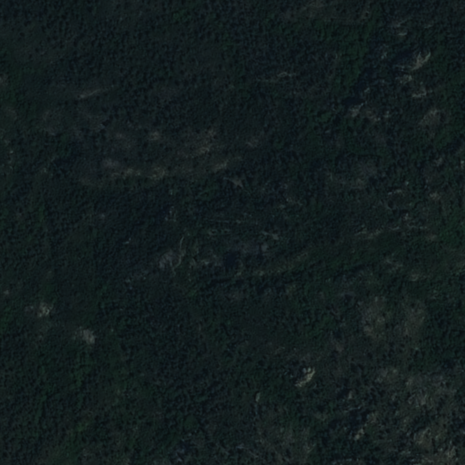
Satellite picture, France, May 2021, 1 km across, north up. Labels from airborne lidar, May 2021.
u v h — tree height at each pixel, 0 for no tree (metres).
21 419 23
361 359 6
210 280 8
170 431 13
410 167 25
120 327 19
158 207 8
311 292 8
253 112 8
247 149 5
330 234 7
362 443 22
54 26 19
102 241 20
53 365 10
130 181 22
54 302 10
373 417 6
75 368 12
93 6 17
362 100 7
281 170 7
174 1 20
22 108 16
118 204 8
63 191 13
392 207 18
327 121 8
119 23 9
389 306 15
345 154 15
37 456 21
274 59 18
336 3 9
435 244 7
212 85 12
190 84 23
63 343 6
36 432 12
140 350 15
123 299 9
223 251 5
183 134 22
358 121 18
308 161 10
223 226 13
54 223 20
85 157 7
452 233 15
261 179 6
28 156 14
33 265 10
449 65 17
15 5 25
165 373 16
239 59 29
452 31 8
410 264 9
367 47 11
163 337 7
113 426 27
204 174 6
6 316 9
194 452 33
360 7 12
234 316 9
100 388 13
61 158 13
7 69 19
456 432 20
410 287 25
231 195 17
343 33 20
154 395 13
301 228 20
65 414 18
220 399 24
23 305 7
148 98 19
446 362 11
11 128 8
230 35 11
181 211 14
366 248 7
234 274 7
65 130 7
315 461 17
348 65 15
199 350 19
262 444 14
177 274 8
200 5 6
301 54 25
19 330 18
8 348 12
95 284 7
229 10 15
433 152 19
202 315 8
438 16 16
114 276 8
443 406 16
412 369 16
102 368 19
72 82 10
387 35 12
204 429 7
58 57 6
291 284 15
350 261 20
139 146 10
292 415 12
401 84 9
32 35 9
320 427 16
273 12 7
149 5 11
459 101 8
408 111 12
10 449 20
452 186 21
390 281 15
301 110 19
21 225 10
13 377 10
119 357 12
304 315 6
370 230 8
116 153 6
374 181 7
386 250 8
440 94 7
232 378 8
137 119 24
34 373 17
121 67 6
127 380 14
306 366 16
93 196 11
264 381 17
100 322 9
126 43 20
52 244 7
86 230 5
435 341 35
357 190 7
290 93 19
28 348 20
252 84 15
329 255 7
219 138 18
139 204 7
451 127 21
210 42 9
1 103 7
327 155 7
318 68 5
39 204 10
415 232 12
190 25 21
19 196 6
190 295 11
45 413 14
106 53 7
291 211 5
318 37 7
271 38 10
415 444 12
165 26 11
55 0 10
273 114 15
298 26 15
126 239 7
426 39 14
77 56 21
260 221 7
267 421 23
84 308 7
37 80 8
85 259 11
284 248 8
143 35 20
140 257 8
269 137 7
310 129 10
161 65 9
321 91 7
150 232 14
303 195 14
